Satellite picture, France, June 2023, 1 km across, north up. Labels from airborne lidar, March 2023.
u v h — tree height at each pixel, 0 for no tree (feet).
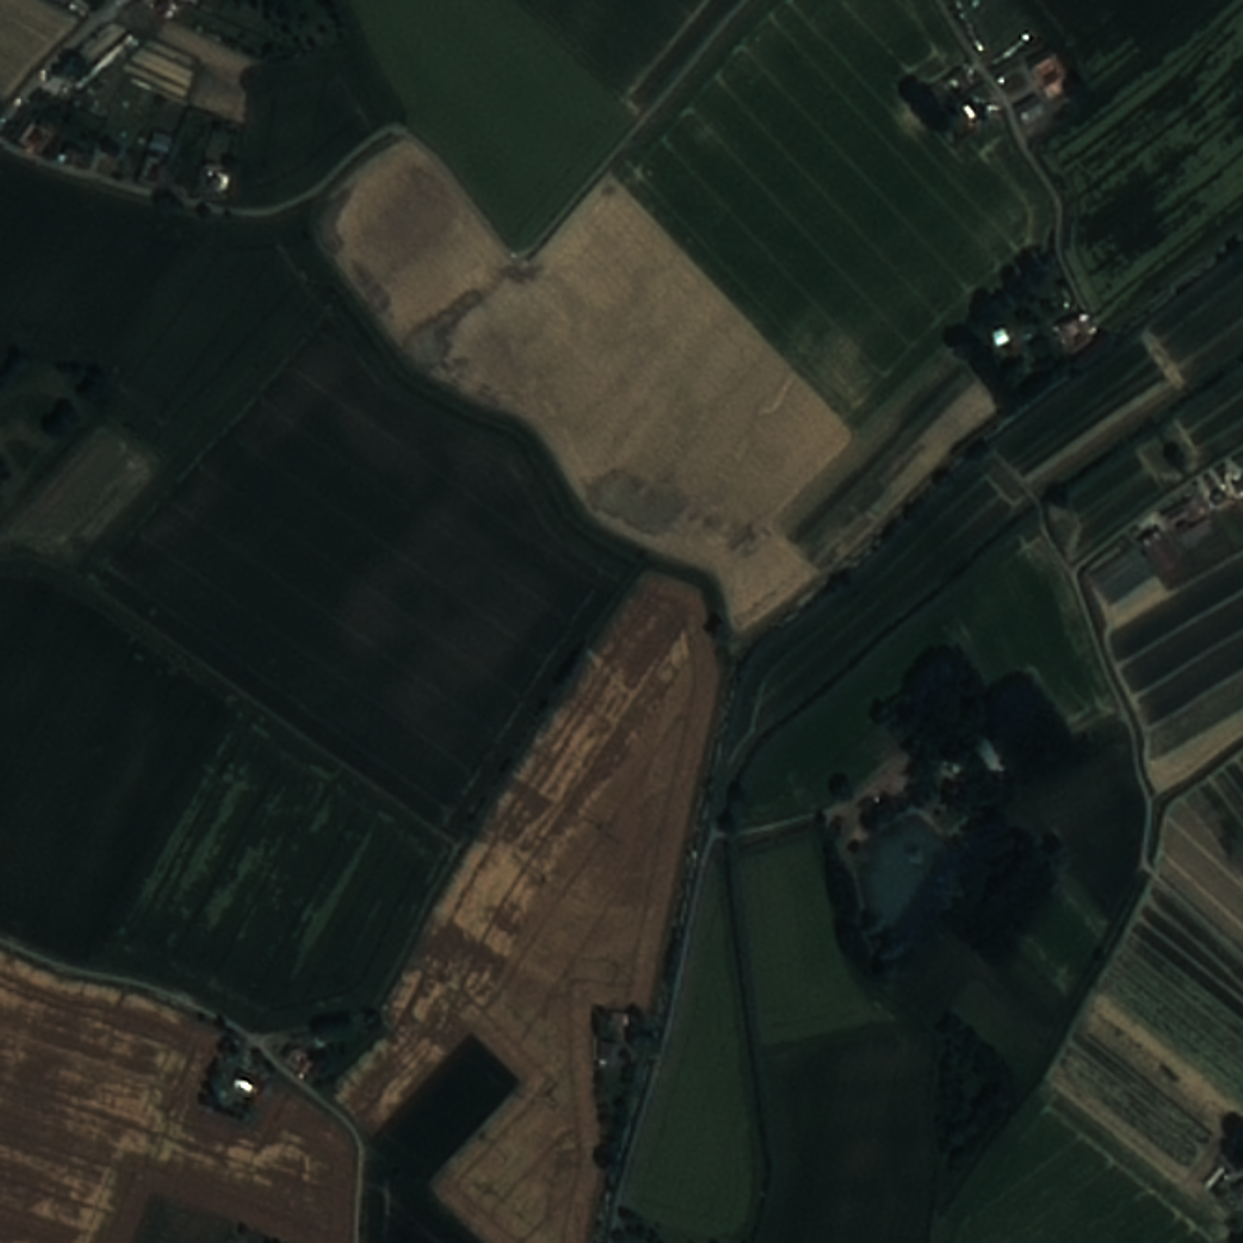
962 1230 0
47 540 0
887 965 58
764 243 0
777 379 0
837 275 0
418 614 0
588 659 0
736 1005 0
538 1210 0
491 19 0
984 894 96
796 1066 0
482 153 0
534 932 0
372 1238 0
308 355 0
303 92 0
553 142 0
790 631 0
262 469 0
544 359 0
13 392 0
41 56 0
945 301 0
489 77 0
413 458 0
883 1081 0
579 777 0
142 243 0
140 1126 0
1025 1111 0
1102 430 0
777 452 0
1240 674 0
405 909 0
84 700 0
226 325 0
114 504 0
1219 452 0
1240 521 0
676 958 0
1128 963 0
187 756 0
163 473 0
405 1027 0
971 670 67
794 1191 0
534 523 0
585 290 0
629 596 0
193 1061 0
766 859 0
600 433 0
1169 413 0
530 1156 0
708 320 0
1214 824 0
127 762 0
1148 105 0
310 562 0
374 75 0
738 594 0
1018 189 0
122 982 0
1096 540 0
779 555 0
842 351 0
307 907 0
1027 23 0
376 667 0
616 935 0
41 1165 0
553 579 0
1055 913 0
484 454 0
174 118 0
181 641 0
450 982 0
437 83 0
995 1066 59
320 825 0
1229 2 0
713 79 0
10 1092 0
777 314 0
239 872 0
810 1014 0
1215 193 0
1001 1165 0
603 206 0
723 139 0
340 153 0
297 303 0
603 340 0
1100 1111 0
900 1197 0
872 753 0
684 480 0
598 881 0
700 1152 0
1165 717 0
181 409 0
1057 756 96
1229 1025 0
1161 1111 0
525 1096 0
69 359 0
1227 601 0
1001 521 0
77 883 0
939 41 0
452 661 0
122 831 0
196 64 0
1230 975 0
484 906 0
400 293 0
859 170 0
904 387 0
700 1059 0
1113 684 0
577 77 0
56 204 0
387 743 0
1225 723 0
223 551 0
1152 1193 0
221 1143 0
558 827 0
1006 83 0
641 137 0
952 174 0
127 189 0
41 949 0
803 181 0
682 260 0
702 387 0
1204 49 0
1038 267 72
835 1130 0
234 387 0
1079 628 0
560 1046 0
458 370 0
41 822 0
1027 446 0
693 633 0
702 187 0
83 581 0
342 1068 0
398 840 0
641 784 0
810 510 0
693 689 0
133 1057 0
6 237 0
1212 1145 0
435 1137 0
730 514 0
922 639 0
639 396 0
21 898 0
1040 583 0
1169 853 0
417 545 0
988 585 0
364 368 0
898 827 0
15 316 0
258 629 0
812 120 0
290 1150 0
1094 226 0
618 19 0
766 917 0
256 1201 0
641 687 0
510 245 0
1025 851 105
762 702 0
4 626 0
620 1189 0
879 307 0
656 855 0
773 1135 0
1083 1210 0
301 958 0
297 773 0
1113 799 0
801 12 0
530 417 0
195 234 0
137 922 0
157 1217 0
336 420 0
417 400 0
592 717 0
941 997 0
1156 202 0
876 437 0
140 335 0
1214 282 0
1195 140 0
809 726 0
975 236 0
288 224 0
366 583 0
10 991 0
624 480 0
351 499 0
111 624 0
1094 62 0
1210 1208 0
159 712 0
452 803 0
